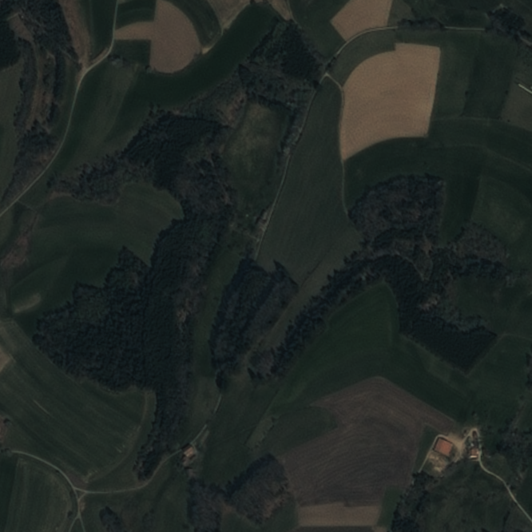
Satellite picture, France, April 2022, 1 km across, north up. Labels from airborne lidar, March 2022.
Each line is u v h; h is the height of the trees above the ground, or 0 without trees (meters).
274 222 0
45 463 0
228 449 0
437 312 22
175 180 13
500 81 0
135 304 16
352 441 0
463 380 0
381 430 0
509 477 0
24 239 0
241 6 0
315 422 0
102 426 0
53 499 0
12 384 0
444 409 0
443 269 13
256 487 26
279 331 0
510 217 0
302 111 17
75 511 0
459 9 0
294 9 0
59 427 0
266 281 31
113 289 12
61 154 0
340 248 0
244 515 17
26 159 21
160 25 0
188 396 27
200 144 16
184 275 20
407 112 0
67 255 0
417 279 15
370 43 0
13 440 0
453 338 16
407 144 0
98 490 0
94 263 0
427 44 0
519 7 0
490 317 0
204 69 0
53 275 0
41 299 0
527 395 0
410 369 0
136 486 0
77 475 0
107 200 18
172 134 17
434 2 0
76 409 0
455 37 0
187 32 0
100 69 0
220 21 0
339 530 0
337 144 0
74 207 0
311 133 0
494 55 0
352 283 20
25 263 0
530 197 0
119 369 24
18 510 0
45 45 22
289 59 12
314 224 0
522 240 0
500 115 0
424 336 16
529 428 0
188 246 25
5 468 0
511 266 0
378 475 0
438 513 0
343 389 0
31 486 0
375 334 0
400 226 17
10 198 21
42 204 0
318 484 0
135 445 0
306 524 0
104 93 0
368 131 0
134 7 0
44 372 0
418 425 0
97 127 0
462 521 0
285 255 0
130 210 0
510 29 11
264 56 13
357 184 0
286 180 0
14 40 11
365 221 18
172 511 0
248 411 0
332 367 0
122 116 0
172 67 0
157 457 24
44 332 17
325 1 0
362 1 0
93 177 12
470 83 0
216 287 0
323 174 0
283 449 0
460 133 0
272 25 0
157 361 32
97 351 19
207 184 22
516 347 0
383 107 0
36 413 0
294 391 0
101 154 0
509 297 0
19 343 0
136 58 0
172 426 19
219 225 20
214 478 0
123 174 25
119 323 23
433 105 0
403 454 0
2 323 0
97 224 0
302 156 0
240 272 0
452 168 0
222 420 0
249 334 29
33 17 23
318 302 9
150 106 0
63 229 0
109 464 0
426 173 0
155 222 0
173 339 28
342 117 0
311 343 24
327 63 17
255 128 0
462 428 0
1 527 0
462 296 0
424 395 0
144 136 21
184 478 0
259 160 0
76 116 0
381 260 8
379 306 0
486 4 0
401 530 22
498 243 14
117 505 0
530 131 0
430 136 0
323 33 0
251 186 0
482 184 0
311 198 0
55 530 0
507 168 0
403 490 0
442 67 0
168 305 30
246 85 22
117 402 0
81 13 0
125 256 14
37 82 18
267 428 0
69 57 19
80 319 10
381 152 0
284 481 19
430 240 16
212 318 0
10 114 0
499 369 0
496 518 0
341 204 0
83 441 0
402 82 0
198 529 30
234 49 0
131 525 0
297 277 0
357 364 0
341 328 0
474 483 0
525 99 0
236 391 0
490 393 0
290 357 20
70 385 0
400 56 0
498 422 0
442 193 22
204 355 0
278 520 0
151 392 16
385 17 0
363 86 0
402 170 0
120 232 0
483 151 0
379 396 0
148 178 18
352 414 0
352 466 0
